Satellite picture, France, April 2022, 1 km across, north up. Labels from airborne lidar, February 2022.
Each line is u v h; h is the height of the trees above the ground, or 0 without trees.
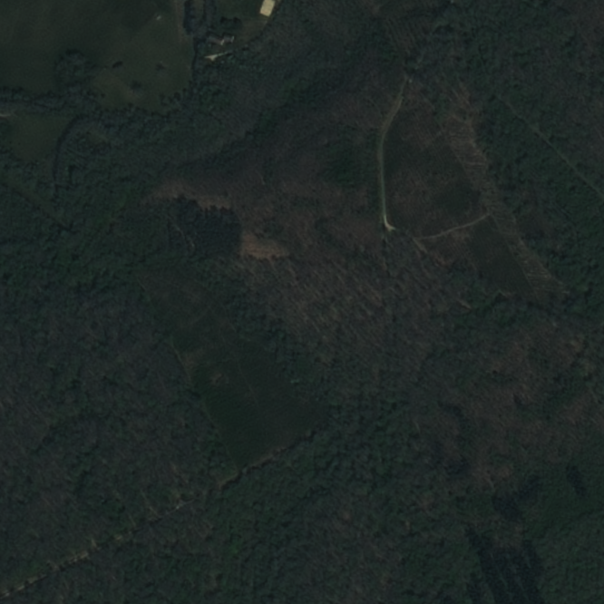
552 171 24
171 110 20
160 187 0
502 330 25
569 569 25
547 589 24
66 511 30
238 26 12
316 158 13
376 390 27
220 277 25
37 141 0
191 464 31
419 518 29
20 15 0
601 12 25
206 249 22
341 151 14
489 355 29
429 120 0
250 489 22
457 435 21
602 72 26
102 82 0
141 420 31
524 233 0
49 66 0
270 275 23
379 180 11
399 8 0
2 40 0
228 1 0
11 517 30
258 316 21
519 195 28
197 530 30
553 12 27
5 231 15
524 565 26
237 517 27
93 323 30
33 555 26
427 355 22
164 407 32
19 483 23
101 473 28
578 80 27
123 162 23
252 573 27
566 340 25
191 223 20
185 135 20
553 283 0
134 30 0
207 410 31
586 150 22
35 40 0
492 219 0
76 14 0
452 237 0
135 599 28
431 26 0
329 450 23
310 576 26
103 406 30
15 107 15
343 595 27
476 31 14
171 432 33
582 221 27
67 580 22
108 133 20
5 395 31
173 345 27
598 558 26
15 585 25
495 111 21
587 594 22
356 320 29
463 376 26
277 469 25
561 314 25
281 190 12
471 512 21
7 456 31
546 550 23
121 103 0
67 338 30
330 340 27
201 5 0
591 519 24
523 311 28
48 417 29
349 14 15
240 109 24
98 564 28
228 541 28
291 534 27
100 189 24
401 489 26
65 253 27
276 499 26
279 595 25
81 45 0
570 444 17
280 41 15
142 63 0
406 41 0
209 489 28
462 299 30
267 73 19
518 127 24
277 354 10
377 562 26
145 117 11
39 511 28
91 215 21
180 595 30
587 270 21
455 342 28
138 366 27
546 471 17
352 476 21
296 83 22
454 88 28
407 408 24
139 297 29
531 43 28
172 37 0
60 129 0
